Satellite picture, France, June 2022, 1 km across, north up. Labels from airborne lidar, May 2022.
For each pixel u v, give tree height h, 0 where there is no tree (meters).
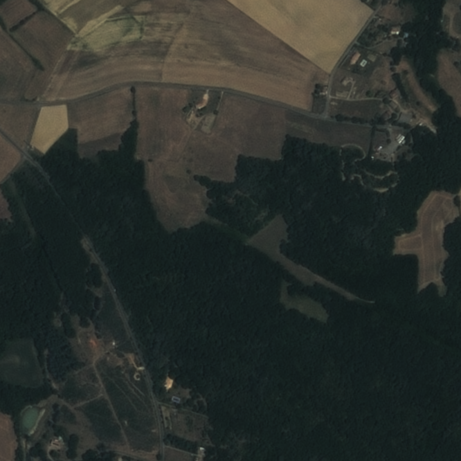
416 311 21
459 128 23
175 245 22
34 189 9
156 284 18
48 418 0
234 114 0
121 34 0
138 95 0
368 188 17
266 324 26
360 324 18
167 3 0
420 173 17
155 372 15
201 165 0
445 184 21
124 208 12
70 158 16
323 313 0
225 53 0
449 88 0
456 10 0
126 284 19
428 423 23
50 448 0
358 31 0
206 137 0
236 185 15
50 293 22
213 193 17
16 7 0
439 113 10
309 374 14
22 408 13
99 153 11
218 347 17
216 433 12
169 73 0
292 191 15
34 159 7
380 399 21
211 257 25
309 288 18
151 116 0
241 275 18
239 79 0
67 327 17
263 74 0
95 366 0
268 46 0
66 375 24
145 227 17
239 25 0
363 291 11
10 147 0
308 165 16
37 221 14
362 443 16
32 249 22
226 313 20
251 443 10
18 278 23
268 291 18
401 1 8
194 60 0
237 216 7
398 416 21
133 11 0
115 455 7
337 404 18
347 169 16
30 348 0
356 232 25
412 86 0
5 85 0
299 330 21
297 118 0
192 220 0
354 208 19
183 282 17
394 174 13
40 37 0
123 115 0
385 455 16
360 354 20
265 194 21
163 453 0
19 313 19
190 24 0
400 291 14
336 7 0
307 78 0
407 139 11
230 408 18
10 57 0
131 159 18
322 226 14
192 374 19
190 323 16
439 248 0
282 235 0
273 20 0
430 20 14
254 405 17
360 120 12
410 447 18
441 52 0
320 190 16
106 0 0
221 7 0
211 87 0
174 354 15
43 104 0
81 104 0
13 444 0
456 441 15
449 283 22
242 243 18
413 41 20
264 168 22
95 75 0
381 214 22
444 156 15
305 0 0
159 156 0
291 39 0
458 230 20
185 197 0
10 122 0
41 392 13
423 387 20
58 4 0
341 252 16
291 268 0
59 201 16
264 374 22
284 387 22
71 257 18
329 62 0
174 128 0
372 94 11
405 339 20
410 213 18
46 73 0
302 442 16
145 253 18
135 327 12
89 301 18
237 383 18
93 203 21
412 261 15
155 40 0
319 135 0
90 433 0
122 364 0
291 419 20
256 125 0
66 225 16
